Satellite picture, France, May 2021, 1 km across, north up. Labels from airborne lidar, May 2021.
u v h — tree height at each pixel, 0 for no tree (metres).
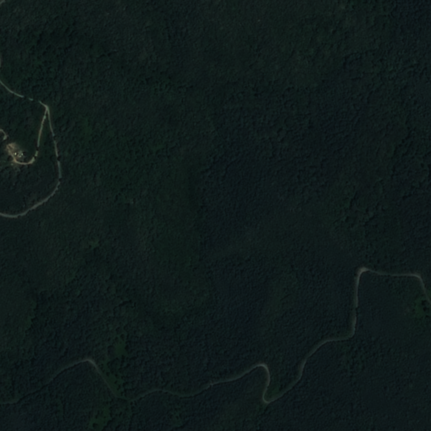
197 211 18
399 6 16
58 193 12
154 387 9
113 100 10
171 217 18
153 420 6
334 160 17
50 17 14
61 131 11
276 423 10
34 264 7
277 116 12
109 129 11
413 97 14
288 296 16
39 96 14
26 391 11
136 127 9
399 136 17
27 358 16
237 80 23
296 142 14
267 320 7
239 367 11
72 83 11
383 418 8
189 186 22
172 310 11
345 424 7
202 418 12
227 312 6
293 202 6
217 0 14
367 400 6
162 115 14
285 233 9
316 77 13
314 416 9
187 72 12
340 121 11
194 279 19
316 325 9
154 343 20
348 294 8
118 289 12
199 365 10
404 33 20
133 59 15
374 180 19
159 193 18
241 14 14
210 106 18
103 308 16
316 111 14
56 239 13
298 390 7
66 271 6
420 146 17
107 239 9
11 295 8
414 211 12
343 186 11
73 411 6
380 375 7
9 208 11
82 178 8
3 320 5
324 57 15
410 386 12
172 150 13
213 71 8
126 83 20
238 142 11
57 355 13
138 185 11
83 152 8
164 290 9
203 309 21
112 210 8
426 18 12
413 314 9
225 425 8
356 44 6
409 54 12
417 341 9
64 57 11
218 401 9
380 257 20
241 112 8
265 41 9
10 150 0
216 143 19
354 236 11
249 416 13
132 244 7
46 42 25
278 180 10
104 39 14
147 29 17
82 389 6
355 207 21
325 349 8
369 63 19
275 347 13
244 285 7
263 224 7
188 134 12
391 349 11
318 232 6
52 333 16
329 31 13
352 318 9
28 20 11
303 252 10
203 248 21
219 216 11
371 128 11
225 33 8
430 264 10
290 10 8
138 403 10
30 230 8
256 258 17
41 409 7
